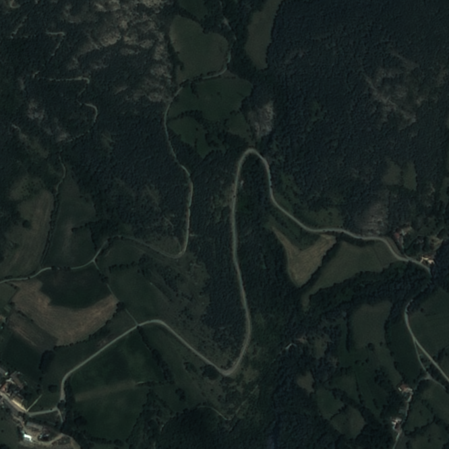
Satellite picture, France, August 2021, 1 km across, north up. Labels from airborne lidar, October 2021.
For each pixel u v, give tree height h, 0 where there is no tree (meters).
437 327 0
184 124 0
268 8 0
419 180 11
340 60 11
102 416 0
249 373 0
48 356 19
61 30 9
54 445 0
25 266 0
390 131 10
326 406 0
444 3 16
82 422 19
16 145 11
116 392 0
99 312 0
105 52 6
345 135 8
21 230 0
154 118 8
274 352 12
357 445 13
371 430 12
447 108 11
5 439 0
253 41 0
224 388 6
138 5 8
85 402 0
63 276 0
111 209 9
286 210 0
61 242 0
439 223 11
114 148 8
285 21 13
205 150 0
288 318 10
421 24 12
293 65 10
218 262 6
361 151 11
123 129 12
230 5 11
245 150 17
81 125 10
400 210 9
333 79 12
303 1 12
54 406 0
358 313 0
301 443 11
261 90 9
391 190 5
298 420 14
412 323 0
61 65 10
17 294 0
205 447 10
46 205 0
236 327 10
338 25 12
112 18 0
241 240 7
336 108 10
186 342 0
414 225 9
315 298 6
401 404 8
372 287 20
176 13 10
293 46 11
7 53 10
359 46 11
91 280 0
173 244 0
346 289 9
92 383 0
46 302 0
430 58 12
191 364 6
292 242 0
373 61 12
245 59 12
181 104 0
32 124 13
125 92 9
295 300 12
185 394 11
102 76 11
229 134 12
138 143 11
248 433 15
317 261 0
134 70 8
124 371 0
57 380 0
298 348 10
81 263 0
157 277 0
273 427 13
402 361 0
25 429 0
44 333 0
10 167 12
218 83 0
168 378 20
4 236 9
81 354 0
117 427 0
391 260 0
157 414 8
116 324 0
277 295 16
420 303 10
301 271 0
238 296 6
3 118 9
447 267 12
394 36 12
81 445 13
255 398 6
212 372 11
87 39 8
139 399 0
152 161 10
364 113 9
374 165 8
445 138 10
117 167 10
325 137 8
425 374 13
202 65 0
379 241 0
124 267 11
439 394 0
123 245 0
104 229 14
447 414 0
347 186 9
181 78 0
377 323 0
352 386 0
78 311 0
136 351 0
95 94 8
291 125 11
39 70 8
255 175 15
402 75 6
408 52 12
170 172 8
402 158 6
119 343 0
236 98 0
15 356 0
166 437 6
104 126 13
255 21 0
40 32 11
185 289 0
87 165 10
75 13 8
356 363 10
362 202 8
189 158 13
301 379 0
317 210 6
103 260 0
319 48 11
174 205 7
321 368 20
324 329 8
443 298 0
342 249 0
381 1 11
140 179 8
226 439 15
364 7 9
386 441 9
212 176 11
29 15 9
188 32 0
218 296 8
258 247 10
